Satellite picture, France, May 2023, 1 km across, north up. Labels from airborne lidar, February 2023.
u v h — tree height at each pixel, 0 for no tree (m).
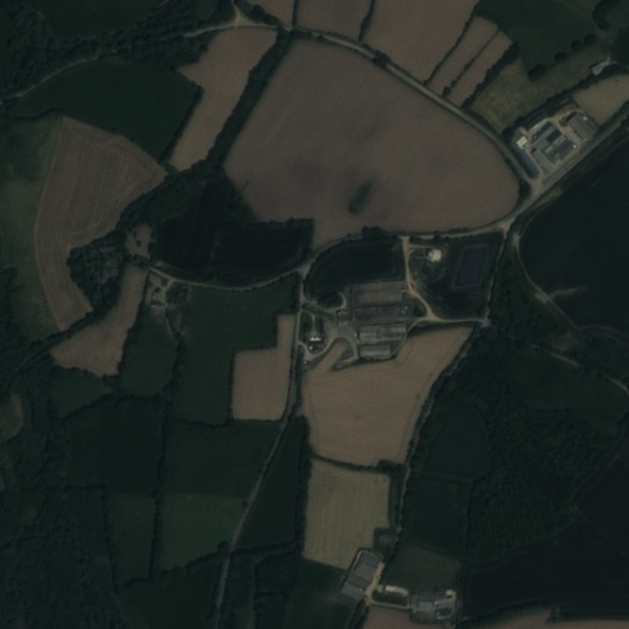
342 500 0
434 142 0
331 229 0
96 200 0
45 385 6
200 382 0
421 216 0
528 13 0
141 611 0
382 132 0
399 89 0
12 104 15
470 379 7
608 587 0
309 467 13
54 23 0
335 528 0
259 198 0
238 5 15
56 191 0
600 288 0
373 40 0
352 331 0
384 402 0
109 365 0
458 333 0
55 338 13
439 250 0
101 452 0
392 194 0
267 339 0
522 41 0
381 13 0
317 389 0
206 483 0
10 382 14
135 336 18
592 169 0
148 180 0
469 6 0
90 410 14
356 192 0
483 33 0
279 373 0
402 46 0
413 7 0
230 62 0
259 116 0
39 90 0
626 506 0
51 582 20
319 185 0
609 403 0
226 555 14
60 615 23
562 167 0
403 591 0
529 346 12
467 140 0
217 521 0
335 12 0
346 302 0
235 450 0
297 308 11
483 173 0
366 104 0
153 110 0
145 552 0
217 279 8
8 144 0
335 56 0
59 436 21
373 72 0
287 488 0
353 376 0
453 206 0
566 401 0
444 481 6
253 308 0
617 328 0
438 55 0
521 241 0
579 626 0
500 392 8
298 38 11
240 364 0
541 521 7
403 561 0
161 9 7
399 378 0
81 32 0
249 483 0
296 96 0
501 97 0
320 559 0
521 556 0
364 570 0
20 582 15
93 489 15
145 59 17
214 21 12
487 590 0
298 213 0
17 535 20
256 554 17
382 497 0
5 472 18
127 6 0
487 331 18
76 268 19
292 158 0
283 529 0
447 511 5
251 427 0
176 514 0
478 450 6
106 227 0
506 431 10
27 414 0
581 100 0
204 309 0
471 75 0
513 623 0
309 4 0
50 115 8
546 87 0
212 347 0
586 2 0
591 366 9
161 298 0
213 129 0
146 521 0
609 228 0
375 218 0
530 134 0
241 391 0
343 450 0
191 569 12
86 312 0
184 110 0
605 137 0
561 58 11
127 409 13
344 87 0
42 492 9
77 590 18
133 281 0
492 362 7
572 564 0
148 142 0
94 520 0
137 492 0
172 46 20
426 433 7
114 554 15
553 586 0
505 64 11
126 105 0
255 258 0
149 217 8
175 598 0
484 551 8
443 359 0
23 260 0
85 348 0
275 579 16
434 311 0
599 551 0
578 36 0
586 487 0
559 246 0
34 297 0
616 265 0
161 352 0
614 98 0
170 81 0
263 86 11
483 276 0
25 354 7
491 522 8
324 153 0
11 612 14
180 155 0
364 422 0
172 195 11
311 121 0
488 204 0
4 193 0
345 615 0
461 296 0
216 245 0
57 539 8
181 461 0
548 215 0
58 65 18
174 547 0
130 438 0
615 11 0
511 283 6
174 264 0
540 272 0
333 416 0
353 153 0
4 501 18
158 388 0
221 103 0
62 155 0
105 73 0
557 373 0
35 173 0
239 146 0
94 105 0
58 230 0
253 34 0
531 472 5
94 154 0
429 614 0
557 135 0
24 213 0
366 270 0
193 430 12
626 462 0
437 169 0
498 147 0
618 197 0
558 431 9
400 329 0
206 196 0
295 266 6
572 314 0
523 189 11
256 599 10
